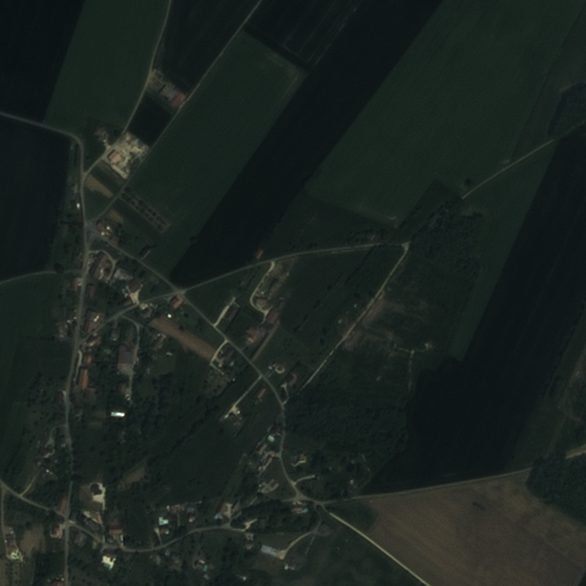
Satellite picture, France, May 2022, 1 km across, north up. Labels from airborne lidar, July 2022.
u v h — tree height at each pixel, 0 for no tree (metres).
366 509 0
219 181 0
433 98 0
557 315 0
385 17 0
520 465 0
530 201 0
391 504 0
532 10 0
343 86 0
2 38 0
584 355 0
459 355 0
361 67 0
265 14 0
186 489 0
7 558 0
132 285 0
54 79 0
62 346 0
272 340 0
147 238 0
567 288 0
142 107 0
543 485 25
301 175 0
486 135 0
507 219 0
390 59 0
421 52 0
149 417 16
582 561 0
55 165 0
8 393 0
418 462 0
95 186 0
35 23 0
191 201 0
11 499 8
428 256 21
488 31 0
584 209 0
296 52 0
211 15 0
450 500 0
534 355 0
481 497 0
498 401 0
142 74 0
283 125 0
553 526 0
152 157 0
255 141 0
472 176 0
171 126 0
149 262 0
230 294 0
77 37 0
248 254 0
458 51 0
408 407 0
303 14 0
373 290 9
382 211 0
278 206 0
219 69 0
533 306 0
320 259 0
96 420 0
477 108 0
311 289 0
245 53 0
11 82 0
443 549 0
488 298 0
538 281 0
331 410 20
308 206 0
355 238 9
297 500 0
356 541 0
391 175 0
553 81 0
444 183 0
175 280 0
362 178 0
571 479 21
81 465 5
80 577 0
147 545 6
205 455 0
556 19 0
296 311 0
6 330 0
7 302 0
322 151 0
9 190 0
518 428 0
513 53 0
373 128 0
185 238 0
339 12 0
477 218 16
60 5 0
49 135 0
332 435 24
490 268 0
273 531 7
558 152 0
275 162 0
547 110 0
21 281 0
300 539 0
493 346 0
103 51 0
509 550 0
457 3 0
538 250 0
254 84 0
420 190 0
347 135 0
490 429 0
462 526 0
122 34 0
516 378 0
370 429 23
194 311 0
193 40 0
